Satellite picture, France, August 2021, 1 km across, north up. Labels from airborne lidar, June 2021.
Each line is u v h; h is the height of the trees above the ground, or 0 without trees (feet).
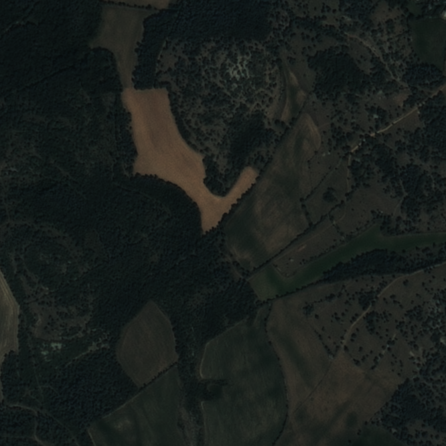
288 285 0
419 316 31
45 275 25
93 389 35
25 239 18
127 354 0
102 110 43
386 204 0
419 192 31
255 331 0
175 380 0
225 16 40
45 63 44
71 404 47
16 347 0
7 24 32
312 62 35
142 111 0
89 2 47
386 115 22
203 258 40
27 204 35
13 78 46
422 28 0
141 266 30
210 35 30
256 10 37
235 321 25
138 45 30
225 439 0
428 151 26
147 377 0
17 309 0
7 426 22
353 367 0
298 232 0
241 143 31
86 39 48
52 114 26
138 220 23
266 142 33
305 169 0
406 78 36
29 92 34
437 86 23
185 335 24
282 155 0
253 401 0
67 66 47
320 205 0
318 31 33
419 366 28
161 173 0
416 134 24
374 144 31
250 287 28
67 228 28
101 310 41
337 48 26
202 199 0
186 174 0
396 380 0
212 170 30
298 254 0
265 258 0
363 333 0
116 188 32
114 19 0
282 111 0
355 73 41
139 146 0
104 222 33
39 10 50
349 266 38
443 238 0
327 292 0
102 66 40
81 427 44
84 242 36
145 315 0
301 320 0
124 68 0
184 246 32
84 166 22
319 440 0
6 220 18
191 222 45
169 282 33
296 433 0
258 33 33
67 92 21
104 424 0
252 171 0
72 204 39
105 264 28
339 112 22
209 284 21
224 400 0
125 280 40
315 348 0
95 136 33
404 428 32
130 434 0
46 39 42
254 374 0
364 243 0
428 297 0
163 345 0
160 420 0
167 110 0
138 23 0
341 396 0
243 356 0
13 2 32
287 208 0
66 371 35
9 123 32
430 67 45
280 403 0
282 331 0
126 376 30
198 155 0
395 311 0
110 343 25
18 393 29
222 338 0
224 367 0
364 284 0
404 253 29
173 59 0
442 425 39
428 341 0
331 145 18
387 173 27
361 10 43
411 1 0
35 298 18
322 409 0
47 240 21
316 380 0
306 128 0
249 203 0
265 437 0
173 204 30
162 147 0
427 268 24
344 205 28
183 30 33
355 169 37
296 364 0
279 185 0
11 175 23
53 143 37
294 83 0
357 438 0
